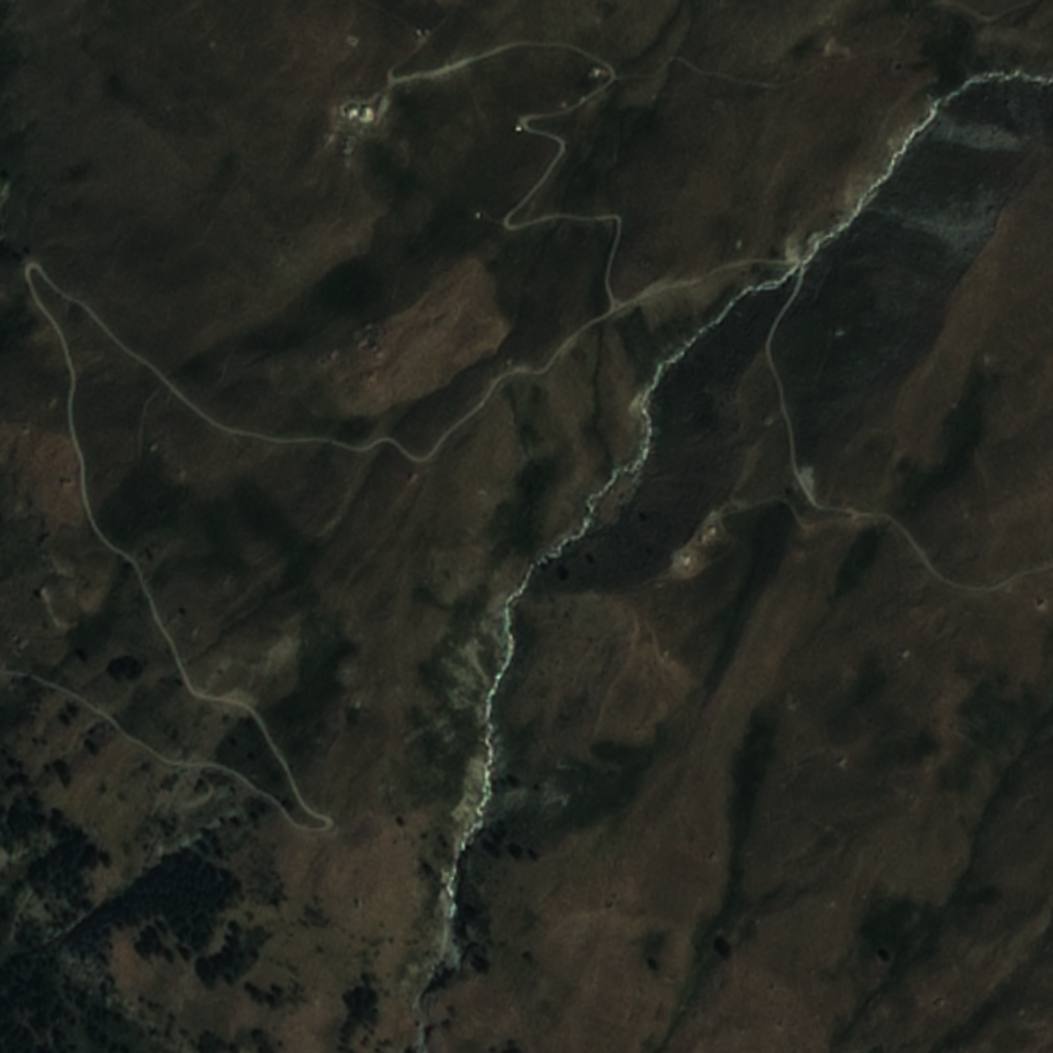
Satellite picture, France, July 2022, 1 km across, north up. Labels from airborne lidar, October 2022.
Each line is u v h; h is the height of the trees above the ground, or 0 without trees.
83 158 0
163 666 0
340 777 0
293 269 0
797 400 0
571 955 0
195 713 0
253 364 0
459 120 0
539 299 0
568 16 0
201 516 0
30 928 8
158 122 0
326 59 0
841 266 0
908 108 0
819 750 0
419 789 0
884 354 0
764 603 0
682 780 0
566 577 9
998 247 0
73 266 0
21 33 0
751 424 0
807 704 0
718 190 0
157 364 0
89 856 24
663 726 0
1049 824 0
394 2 0
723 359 0
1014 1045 0
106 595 0
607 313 0
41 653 0
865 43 0
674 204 0
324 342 0
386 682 0
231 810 0
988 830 0
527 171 0
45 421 0
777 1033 0
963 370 0
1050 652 0
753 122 0
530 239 0
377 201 0
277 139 0
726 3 0
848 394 0
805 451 0
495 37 0
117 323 0
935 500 0
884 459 0
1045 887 0
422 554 0
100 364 0
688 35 0
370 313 0
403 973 0
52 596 0
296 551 0
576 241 0
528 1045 0
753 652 0
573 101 0
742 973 0
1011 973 0
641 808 0
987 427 0
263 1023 0
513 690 0
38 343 0
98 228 0
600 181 0
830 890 0
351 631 0
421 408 0
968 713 0
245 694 0
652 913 0
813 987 0
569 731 0
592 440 0
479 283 0
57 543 0
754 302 0
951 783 0
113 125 0
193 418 0
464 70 0
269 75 0
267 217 0
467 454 0
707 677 0
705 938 0
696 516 0
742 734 0
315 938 0
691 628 0
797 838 0
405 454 0
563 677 0
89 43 0
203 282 0
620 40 0
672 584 0
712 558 0
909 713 0
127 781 0
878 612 0
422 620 0
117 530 0
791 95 0
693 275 0
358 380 0
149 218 0
